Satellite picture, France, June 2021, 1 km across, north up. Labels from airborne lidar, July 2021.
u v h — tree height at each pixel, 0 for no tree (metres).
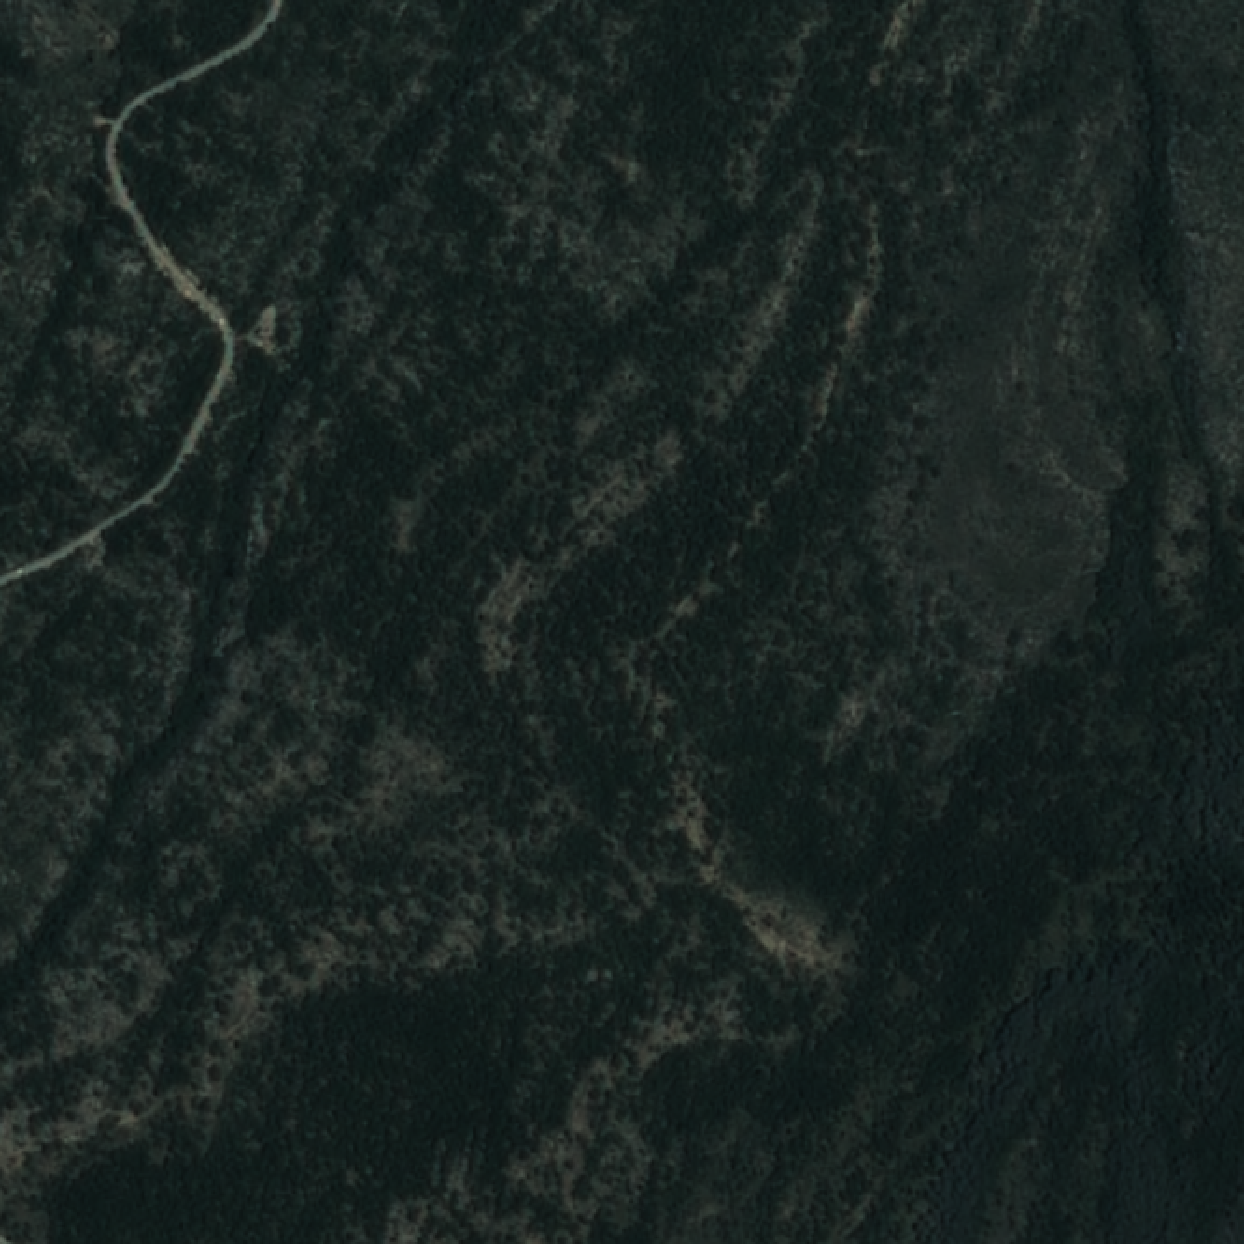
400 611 6
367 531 8
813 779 5
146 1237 8
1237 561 7
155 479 8
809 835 6
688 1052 8
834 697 8
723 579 8
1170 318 8
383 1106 7
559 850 6
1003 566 0
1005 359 0
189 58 6
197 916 6
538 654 8
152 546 7
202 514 6
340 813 6
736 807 8
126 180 6
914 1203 8
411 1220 6
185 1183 9
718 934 6
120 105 7
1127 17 6
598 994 7
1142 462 7
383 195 6
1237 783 15
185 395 5
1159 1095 9
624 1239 7
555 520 8
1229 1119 10
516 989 7
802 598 7
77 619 6
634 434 6
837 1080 10
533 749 7
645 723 6
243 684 0
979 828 7
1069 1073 7
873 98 6
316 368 6
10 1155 0
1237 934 7
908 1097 9
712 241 9
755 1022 6
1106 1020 13
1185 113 6
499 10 6
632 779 7
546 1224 6
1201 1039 8
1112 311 7
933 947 7
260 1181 6
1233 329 0
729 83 6
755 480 7
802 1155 7
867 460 6
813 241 6
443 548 9
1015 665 8
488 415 6
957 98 7
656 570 7
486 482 6
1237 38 0
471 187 7
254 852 6
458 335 7
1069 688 7
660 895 6
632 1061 8
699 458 7
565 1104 7
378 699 8
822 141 7
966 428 0
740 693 8
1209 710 5
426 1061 7
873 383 6
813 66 7
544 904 6
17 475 7
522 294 7
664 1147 7
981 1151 13
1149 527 8
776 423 9
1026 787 8
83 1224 6
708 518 8
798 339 6
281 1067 7
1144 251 10
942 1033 7
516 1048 8
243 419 7
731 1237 6
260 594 7
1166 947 9
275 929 6
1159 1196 12
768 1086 6
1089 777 7
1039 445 0
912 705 6
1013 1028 16
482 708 7
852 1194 7
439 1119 8
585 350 8
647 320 7
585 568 7
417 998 10
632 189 6
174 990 8
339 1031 8
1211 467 9
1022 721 9
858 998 7
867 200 7
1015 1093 15
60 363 6
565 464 8
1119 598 10
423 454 6
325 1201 8
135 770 9
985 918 8
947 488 0
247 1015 0
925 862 11
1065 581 0
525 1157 8
